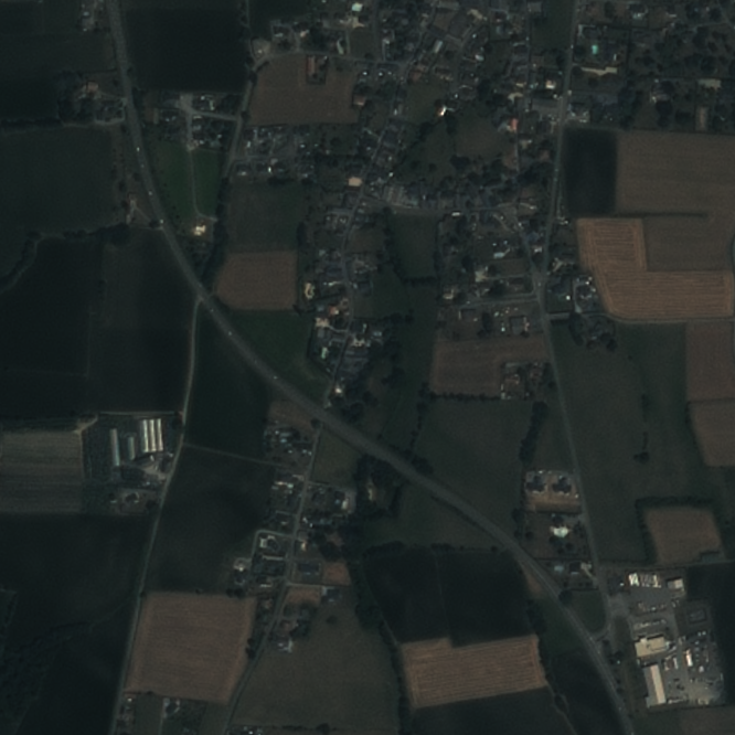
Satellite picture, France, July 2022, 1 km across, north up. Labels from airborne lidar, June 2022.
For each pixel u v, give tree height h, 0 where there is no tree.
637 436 0
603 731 0
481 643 0
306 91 0
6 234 0
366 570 0
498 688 0
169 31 0
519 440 0
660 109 15
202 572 0
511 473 0
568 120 0
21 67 0
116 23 0
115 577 0
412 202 0
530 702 0
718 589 0
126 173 0
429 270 0
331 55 0
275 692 0
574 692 0
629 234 0
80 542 0
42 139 0
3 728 0
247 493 0
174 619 0
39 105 0
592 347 9
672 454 0
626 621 0
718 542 0
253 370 0
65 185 0
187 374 0
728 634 0
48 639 15
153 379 0
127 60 0
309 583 0
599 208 0
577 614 0
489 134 0
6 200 0
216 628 0
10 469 0
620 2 0
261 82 0
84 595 0
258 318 0
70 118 11
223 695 0
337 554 19
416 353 0
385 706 0
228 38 0
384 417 0
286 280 0
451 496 0
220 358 0
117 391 0
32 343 0
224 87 0
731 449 0
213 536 0
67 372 0
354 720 0
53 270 0
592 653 0
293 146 0
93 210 0
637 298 0
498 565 0
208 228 0
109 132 0
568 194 0
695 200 0
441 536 0
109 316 0
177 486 0
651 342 0
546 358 0
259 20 0
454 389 0
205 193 0
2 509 0
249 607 0
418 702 0
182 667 0
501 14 0
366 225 7
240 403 0
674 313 0
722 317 0
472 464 0
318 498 0
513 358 0
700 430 0
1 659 6
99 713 0
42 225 0
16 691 15
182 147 0
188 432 0
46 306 0
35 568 0
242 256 0
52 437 0
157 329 0
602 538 0
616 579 0
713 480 0
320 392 0
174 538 0
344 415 14
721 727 0
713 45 16
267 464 0
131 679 0
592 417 0
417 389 0
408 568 0
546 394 0
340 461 0
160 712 0
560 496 0
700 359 0
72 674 0
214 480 0
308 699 0
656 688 0
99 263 0
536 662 0
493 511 0
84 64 0
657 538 0
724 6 16
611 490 0
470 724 0
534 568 0
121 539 0
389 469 22
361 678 0
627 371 0
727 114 10
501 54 0
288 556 0
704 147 0
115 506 0
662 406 0
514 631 0
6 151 0
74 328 0
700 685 0
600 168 0
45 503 0
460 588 0
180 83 0
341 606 0
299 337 0
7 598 0
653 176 0
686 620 0
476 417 0
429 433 0
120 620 0
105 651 0
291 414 0
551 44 0
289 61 0
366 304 0
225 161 0
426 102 0
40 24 0
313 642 0
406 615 0
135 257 0
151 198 0
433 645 0
